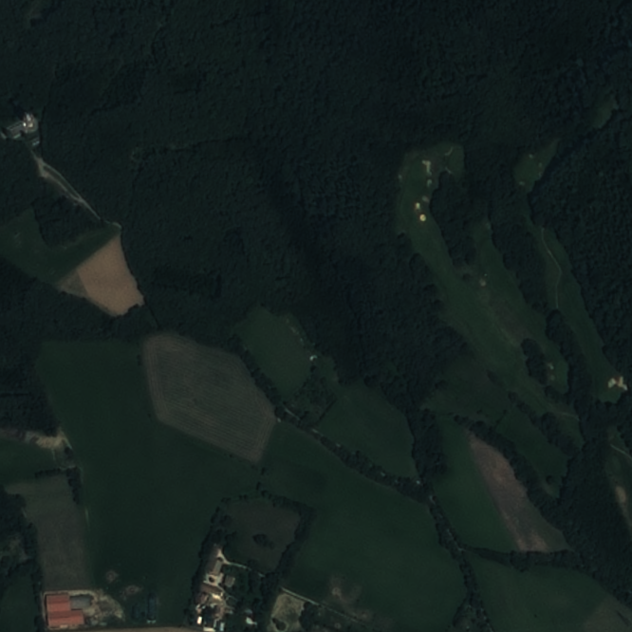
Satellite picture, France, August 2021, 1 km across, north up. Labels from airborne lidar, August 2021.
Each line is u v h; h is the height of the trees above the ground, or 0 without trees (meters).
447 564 0
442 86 18
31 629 0
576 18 13
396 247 15
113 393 0
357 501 0
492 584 0
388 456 0
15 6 19
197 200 20
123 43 24
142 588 0
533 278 19
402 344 15
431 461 18
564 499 15
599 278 22
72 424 0
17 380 6
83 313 14
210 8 19
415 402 14
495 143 16
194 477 0
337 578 0
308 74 21
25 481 0
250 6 18
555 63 16
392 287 17
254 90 27
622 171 23
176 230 23
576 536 18
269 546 10
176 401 0
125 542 0
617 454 0
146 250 19
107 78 12
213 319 17
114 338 10
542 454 0
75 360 0
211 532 6
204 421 0
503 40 25
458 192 21
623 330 20
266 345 0
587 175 7
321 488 0
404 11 21
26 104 14
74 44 15
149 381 0
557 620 0
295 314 11
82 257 0
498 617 0
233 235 11
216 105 24
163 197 20
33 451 0
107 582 0
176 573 0
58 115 11
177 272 8
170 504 0
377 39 20
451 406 0
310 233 26
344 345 14
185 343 0
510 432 0
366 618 0
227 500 11
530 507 0
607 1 6
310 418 11
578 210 7
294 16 21
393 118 16
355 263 20
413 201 0
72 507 0
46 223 9
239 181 22
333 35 22
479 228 0
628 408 20
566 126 21
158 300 16
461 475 0
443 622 0
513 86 22
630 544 9
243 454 0
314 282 13
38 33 17
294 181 28
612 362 10
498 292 0
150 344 0
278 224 22
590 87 22
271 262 19
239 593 7
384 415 0
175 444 0
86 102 12
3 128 0
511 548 0
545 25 27
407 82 16
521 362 0
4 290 7
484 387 0
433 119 12
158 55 20
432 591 0
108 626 0
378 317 21
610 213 19
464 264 8
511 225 21
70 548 0
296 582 0
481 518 0
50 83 12
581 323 0
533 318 0
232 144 19
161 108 22
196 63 20
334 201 22
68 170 13
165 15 18
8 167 17
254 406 0
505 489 0
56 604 0
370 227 13
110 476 0
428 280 14
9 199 21
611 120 9
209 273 9
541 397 0
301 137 20
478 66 22
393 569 0
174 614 0
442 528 14
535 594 0
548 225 25
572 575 0
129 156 16
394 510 0
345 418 0
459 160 0
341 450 10
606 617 0
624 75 19
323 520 0
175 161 22
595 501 15
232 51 21
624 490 0
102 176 16
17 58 16
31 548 19
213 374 0
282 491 0
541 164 0
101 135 13
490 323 0
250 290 15
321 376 9
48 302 17
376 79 14
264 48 26
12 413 20
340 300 14
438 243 0
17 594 0
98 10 23
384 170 15
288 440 0
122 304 0
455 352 16
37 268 0
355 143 14
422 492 20
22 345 18
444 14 19
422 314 15
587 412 14
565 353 13
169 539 0
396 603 0
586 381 17
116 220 13
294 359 0
